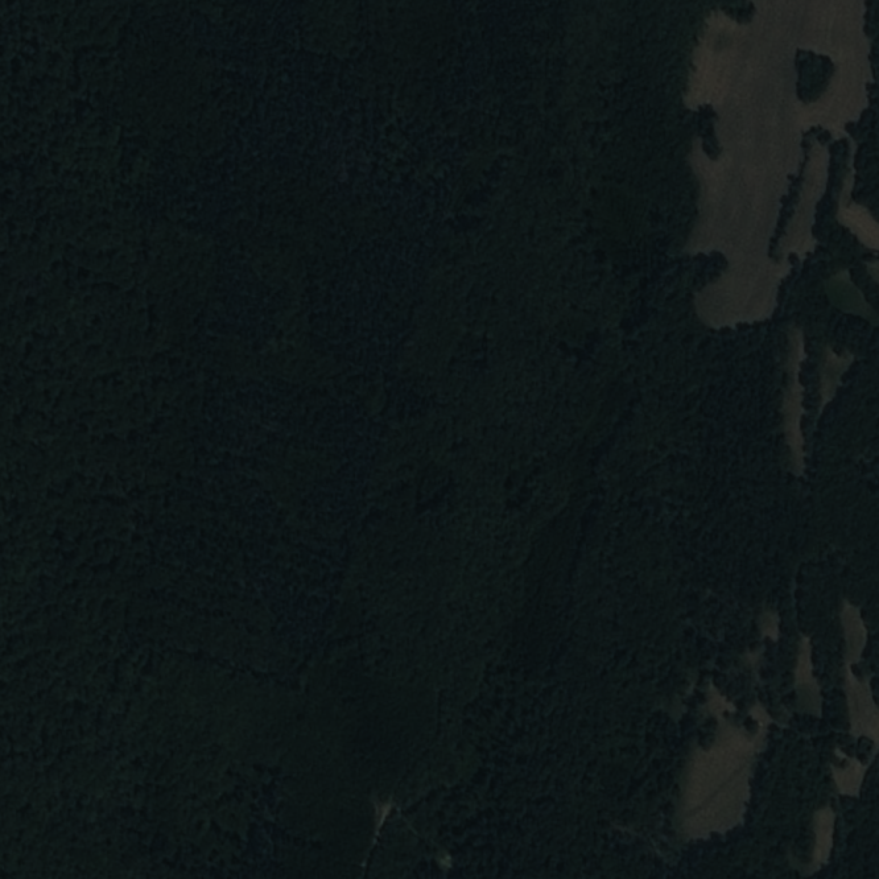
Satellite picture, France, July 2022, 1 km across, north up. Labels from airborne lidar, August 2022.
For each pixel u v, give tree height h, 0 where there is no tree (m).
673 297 19
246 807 19
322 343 26
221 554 23
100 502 23
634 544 15
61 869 14
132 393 23
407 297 14
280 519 23
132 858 20
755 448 15
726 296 0
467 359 9
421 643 18
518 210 16
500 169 19
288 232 19
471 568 15
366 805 9
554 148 11
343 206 20
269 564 22
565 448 24
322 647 20
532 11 13
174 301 21
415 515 19
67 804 16
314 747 10
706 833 0
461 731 19
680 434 17
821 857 0
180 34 21
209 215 19
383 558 19
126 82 19
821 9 0
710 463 18
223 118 23
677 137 9
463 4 24
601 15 14
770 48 0
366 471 24
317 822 9
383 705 9
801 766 18
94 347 24
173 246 22
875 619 16
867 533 11
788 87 0
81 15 20
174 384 22
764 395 18
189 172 18
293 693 11
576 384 16
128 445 20
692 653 21
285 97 28
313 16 26
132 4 21
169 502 18
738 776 0
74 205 26
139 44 18
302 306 21
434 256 20
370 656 19
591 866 18
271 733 17
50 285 24
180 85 22
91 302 20
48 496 17
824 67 17
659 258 5
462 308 20
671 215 19
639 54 17
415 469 19
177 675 12
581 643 19
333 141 29
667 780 17
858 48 0
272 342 17
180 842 25
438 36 18
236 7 20
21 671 22
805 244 0
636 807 22
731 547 16
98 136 20
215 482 23
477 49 22
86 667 17
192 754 16
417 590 19
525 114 13
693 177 9
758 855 16
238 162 25
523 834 23
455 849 23
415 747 10
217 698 13
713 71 0
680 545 16
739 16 18
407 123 26
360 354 30
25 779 18
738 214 0
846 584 16
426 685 7
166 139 21
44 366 12
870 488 20
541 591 11
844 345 16
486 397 16
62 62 25
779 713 16
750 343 17
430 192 22
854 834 15
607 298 19
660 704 14
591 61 13
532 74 12
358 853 9
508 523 6
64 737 19
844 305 0
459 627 12
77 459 22
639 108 15
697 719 14
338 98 24
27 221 20
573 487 12
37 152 13
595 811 15
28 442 20
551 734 16
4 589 21
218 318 21
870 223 0
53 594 23
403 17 18
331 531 14
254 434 16
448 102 24
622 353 18
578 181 22
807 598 15
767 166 0
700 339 9
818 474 17
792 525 16
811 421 16
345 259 24
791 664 16
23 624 20
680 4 15
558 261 18
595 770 17
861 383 16
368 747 11
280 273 18
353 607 12
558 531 11
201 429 27
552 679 18
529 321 20
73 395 20
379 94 20
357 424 22
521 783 18
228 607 15
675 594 15
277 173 22
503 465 18
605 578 18
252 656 13
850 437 21
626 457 18
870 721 0
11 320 21
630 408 8
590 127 19
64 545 25
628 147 14
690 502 16
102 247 22
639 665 21
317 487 19
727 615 19
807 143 8
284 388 24
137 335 31
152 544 23
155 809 23
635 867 23
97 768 18
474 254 19
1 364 17
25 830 22
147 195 15
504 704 21
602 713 15
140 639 21
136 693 18
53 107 8
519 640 13
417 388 16
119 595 22
